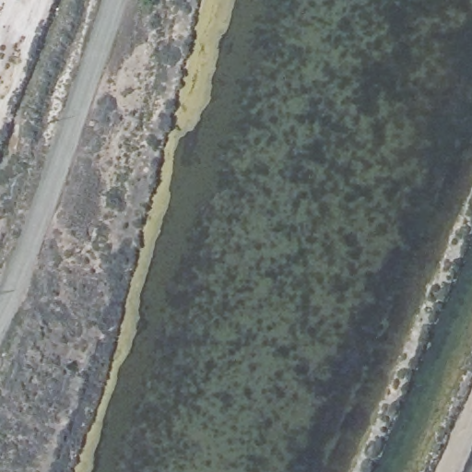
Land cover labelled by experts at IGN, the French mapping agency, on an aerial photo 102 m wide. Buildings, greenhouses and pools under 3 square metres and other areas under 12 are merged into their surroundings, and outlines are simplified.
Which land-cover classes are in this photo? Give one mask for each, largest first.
<instances>
[{"label":"water","instance_id":"1","mask_svg":"<svg viewBox=\"0 0 472 472\"><path fill-rule=\"evenodd\" d=\"M472 186V0H234L229 26L219 39L218 59L210 87V101L201 111L194 129L188 131L183 138H179L173 153L170 201L160 223L159 236L155 240L151 262L140 289L135 337L124 363L118 369L116 385L105 409L100 439L94 450L90 472H352L350 463L358 455L361 437L371 428V413L376 409L378 402L385 395L387 385L389 371L398 361V352L404 348V343L413 328L415 315L419 313L420 304L424 299V291L431 293V289L437 284H444L446 299L431 310L430 323L420 334L419 348L413 358L407 367V380L402 396L393 404L396 420L389 426H383L382 437H378V441L382 442V457L371 461V468L367 472H419L417 459L424 452V444L428 441L426 430H430L431 424L437 419L439 409L450 402V389L454 387L459 391V365L461 358L470 348L472 339V240L463 245L461 256L457 260H448L444 256V251L448 234L454 227L455 219L459 216L466 194Z\"/></svg>","mask_w":472,"mask_h":472},{"label":"brushwood","instance_id":"2","mask_svg":"<svg viewBox=\"0 0 472 472\"><path fill-rule=\"evenodd\" d=\"M88 0H53L48 17L42 20L35 33L29 50L26 74L15 96L9 100V112L22 116L26 120V125L22 127L20 135L13 133L7 153L0 162V251L4 249L7 240L20 238L26 221L31 218L33 199L41 186L46 164L48 147L44 146L42 133L46 129L48 114L55 83L65 70L66 59L72 50V44L76 41L77 31L83 24ZM151 4H144V0H129L124 9L122 22L112 39L111 52L105 59V65L109 68V74L118 76L125 59L135 52L136 46L146 42L147 31L151 28V17L147 13ZM199 9H195L188 37H179L170 42H157L151 55L157 61V77L153 81V88L159 96L166 92V87L162 83L168 81L166 65H175L177 59H184L186 52L194 53ZM188 76V70L181 68L175 96L173 100L166 101L164 111L170 112V127L162 131V138L149 136L147 140L149 146L159 151V157L153 160V184L149 188L147 203H144V216L138 219V234H144L149 210L160 186L164 149L170 140L171 131L177 125L181 90ZM124 118L111 94L101 96L96 111H88L74 159L66 173L63 190L55 203V214L59 223H65L70 236L85 243H92V247L100 253L103 271H79L68 267L66 277L68 288L72 289L70 302L65 304L55 299L41 302L44 295H50L55 289L59 291L57 275L61 260L74 256V251H59L57 243L42 240L37 253V267L31 273L28 295L20 302L6 330V336L0 343V472H44L41 466L37 465V455L41 454L44 444L50 441L55 424L61 417H66L68 424L65 430L61 431L53 465L48 472H76L87 442L88 431L96 420L105 385L111 376L112 360L118 348V337L124 323L125 302L142 247L136 243V247H131L129 240H122L120 249L114 251L109 243L107 225L100 223L98 219L103 181L100 170L92 166V159L94 153L101 151L105 144V135L112 133H116V125ZM94 326L100 328L105 339L96 341V347L92 356L88 358L85 371L79 367L77 371H70V365L66 361H61L65 360L68 354V341L81 336L83 330ZM74 376L83 378L77 407L70 406L68 396V387ZM107 205L124 210V194L118 188H111ZM446 299L444 284H437L431 289V293L424 291V299L420 304L419 313L415 315L413 328L419 330L420 334L430 323L431 310ZM459 391L454 387L450 389V402L439 409L437 419L431 424L430 430H426L428 441L424 444V452L417 459L419 472H439L437 466L441 463L442 454L450 442L455 422L461 417L468 398L472 395V339L470 348L461 358L459 365ZM413 358L407 356L404 348L398 352V361L389 371L387 385L396 387L402 382V378L407 380V367ZM396 420L393 404L383 407V415L376 409L371 413V428L361 437L358 455L350 463L352 472H367L371 468V461L382 457V442L378 441V437H382L383 426H389Z\"/></svg>","mask_w":472,"mask_h":472},{"label":"pervious surface","instance_id":"3","mask_svg":"<svg viewBox=\"0 0 472 472\"><path fill-rule=\"evenodd\" d=\"M53 0H0V129L6 124V114L9 112V100L15 96L26 74L29 50L35 33L42 20L48 17ZM96 0H88L83 24L77 31L76 41L72 44V50L66 59L65 70L55 83L48 114L57 116L61 112L66 81L70 79L74 66L79 61ZM190 13H184L179 7H170L168 18L175 20V26L173 29H166L164 37H159L157 31L151 28L147 31L146 42L136 46L135 52L125 59L118 76L109 74V68L105 65L101 68L100 76L94 77V83L90 87L88 111H96L101 96L111 94L124 118L116 125V133H112L109 147L111 157L124 155L125 147H118V144L124 140V136L133 133L138 120L131 116V111L140 109L144 94L133 92L129 96H124L122 90L138 85L136 74L146 70L147 59L151 55L157 42H170L179 37H188L195 9H199L194 53L186 52L184 59H177L175 65H166L168 81L162 83L166 87V92L159 96L151 118L159 122L160 114L164 111L166 101L173 100L175 96L181 68L188 70V76L181 90L177 125L171 131L170 140L164 149L160 186L149 210L144 234L142 247L125 302L124 323L118 337V348L112 360L111 376L105 385L96 420L88 431L87 442L76 472H90L94 450L100 439L105 409L116 385L118 369L124 363L135 337L140 289L151 262L155 240L159 236L160 223L170 201L173 153L179 138H183L188 131L194 129L201 111L210 101V87L218 59L219 39L229 26L234 0H188ZM472 240V186L466 194L459 216L455 219L454 227L448 234L444 251V256L448 260H457L461 256L463 245ZM420 334L419 330L413 328L404 343V348L407 356L413 358L419 348ZM407 380L402 378V382L396 387L387 385L385 395L378 402L376 409L383 415V407L393 404L402 396ZM439 472H472V395L468 398L461 417L455 422L450 442L442 454L441 463L437 466Z\"/></svg>","mask_w":472,"mask_h":472},{"label":"herbaceous vegetation","instance_id":"4","mask_svg":"<svg viewBox=\"0 0 472 472\"><path fill-rule=\"evenodd\" d=\"M105 0H96L79 61L74 66L70 79L66 81L61 112L57 116L48 114L46 129L42 133L44 146L48 147L46 164L52 160V155L65 133L68 105L74 96L77 77L85 65L88 42L92 39ZM144 4H151L147 13L151 17V28L157 31L159 37H164L166 29H173L175 26V20L168 18L170 7H179L184 13H190L188 0H144ZM157 77V61L151 55L147 59L146 70L136 74L138 85L122 90L124 96H129L133 92L144 94L140 109L131 111V116L138 120L133 133L124 136V140L118 144V147H125L124 155L111 157L109 147L112 133L105 135V144L101 151L94 153L92 159V166L100 170L103 181L98 219L100 223L107 225L109 243L114 251L120 249L122 240H129L131 247H136V243L142 247L144 234H138V219L144 216V203H147L149 188L153 184V160L159 157V151L149 146L147 140L149 136L162 138V131L170 127V112L164 111L160 114L159 122L151 118L159 96L153 88V81ZM111 188H118L124 194V210L107 205ZM26 125V120L22 116L9 112L6 114V124L0 129V162L7 153L13 133L20 135L22 127ZM42 240L57 243L59 251H74V256L61 260L57 275L59 291L55 289L50 295H44L41 302L55 299L65 304L70 302L72 289L68 288L66 277L68 267L79 271H103L100 253L92 247V243H85L70 236L65 223H59L55 214L52 223L46 225ZM20 247V238L7 240L4 249L0 251V295L15 293V289L6 288V282L11 271V262L15 260V254ZM105 339L100 328L94 326L83 330L81 336L68 341V354L65 360L61 361H66L70 365V371H77L79 367L85 371L88 358L92 356L96 347V341ZM83 378L74 376L68 387V396L70 406L77 407ZM68 424L66 417H61L55 424L50 441L44 444L41 454L37 455V465L41 466L44 472H48L53 465L61 431L65 430Z\"/></svg>","mask_w":472,"mask_h":472},{"label":"impervious surface","instance_id":"5","mask_svg":"<svg viewBox=\"0 0 472 472\"><path fill-rule=\"evenodd\" d=\"M129 0H105L92 39L88 42L85 65L77 77L74 96L68 105L65 133L52 155V160L46 164L41 186L33 199L31 218L26 221L20 238V247L15 254V260L11 262V271L6 282V288L15 289V293L0 295V343L6 336V330L20 302L28 295L31 273L37 267V253L42 240L46 225L52 223L55 214V203L63 190L66 173L74 159L88 111L90 87L94 83V77L100 76L101 68L105 65V59L111 52L112 39L122 22L124 9Z\"/></svg>","mask_w":472,"mask_h":472}]
</instances>
